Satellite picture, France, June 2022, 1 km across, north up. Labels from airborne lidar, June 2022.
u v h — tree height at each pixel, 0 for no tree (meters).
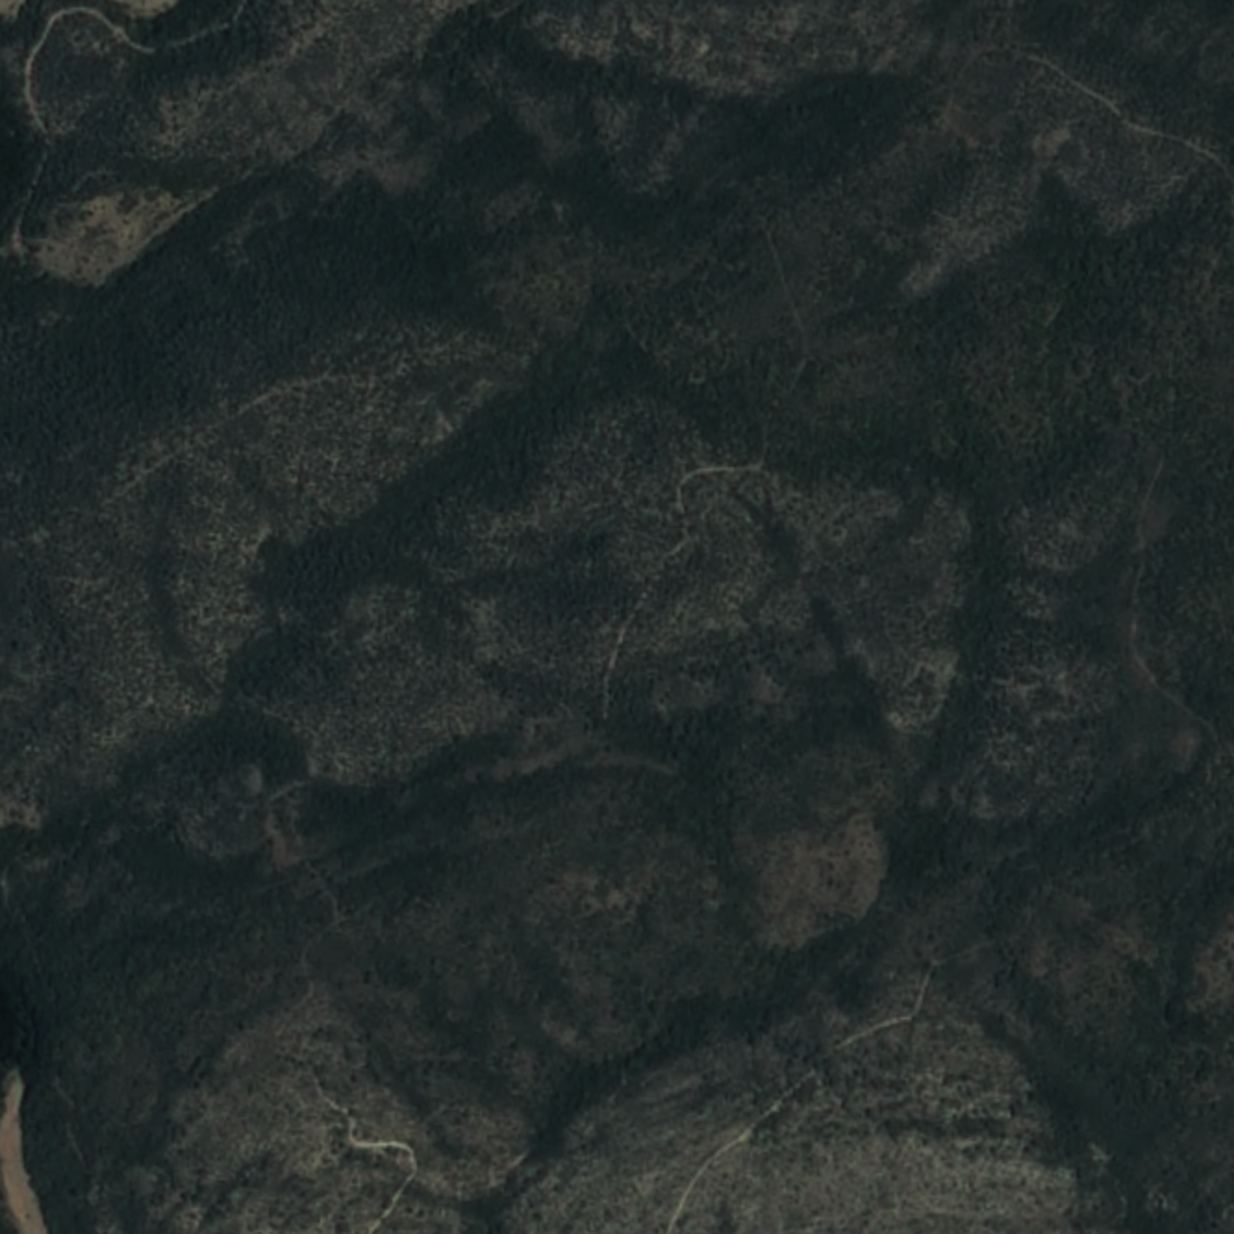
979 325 5
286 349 7
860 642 0
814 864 0
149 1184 0
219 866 5
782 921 0
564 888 0
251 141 6
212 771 7
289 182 7
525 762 0
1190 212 7
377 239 6
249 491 8
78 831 9
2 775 0
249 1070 0
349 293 8
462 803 6
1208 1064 7
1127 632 0
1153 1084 8
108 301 6
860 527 0
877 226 6
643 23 0
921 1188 0
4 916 5
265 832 0
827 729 5
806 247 0
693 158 0
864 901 0
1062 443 8
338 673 9
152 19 8
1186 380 5
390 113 0
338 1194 0
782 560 6
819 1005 0
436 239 6
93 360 7
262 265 8
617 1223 0
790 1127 0
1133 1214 6
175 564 7
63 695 8
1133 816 7
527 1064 0
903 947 0
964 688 8
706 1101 0
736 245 6
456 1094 0
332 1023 0
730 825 7
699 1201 0
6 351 10
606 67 9
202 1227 0
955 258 0
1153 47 0
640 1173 0
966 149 5
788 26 0
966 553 8
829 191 6
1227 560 6
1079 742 8
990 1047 0
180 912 6
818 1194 0
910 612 5
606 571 6
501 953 7
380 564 6
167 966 6
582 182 6
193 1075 7
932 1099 0
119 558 9
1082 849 8
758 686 0
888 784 7
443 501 9
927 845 9
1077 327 8
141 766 5
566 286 6
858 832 0
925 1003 0
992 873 6
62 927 6
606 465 6
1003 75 0
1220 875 7
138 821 7
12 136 7
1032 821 6
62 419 10
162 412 7
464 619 6
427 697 6
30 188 5
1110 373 6
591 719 5
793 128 7
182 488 7
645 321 6
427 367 5
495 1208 6
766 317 0
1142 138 0
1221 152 5
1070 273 7
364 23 0
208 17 7
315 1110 0
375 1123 0
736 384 7
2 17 9
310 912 7
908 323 6
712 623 0
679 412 6
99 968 8
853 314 7
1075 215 7
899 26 0
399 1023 0
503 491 5
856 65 0
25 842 10
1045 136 0
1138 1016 7
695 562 8
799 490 5
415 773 6
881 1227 0
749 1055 0
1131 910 5
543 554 9
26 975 11
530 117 0
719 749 6
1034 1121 0
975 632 6
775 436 6
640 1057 8
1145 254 6
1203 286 5
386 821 6
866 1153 0
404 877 6
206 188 7
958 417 7
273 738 7
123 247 0
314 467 0
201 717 7
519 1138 0
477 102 6
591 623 6
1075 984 0
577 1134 0
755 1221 0
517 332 5
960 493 6
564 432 5
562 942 6
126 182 8
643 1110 0
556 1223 0
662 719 9
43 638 7
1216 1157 0
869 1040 0
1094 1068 8
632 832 6
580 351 10
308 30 6
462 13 9
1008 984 8
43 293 7
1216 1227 10
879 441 7
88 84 6
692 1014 6
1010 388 7
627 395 6
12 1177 0
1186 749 0
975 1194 0
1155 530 0
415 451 7
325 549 10
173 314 6
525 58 7
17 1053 8
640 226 6
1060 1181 0
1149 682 0
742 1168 0
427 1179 0
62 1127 6
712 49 0
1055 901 6
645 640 0
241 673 7
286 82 0
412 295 7
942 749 8
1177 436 7
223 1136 0
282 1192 0
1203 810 6
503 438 10
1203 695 6
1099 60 7
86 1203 7
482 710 0
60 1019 8
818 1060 6
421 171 0
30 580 6
